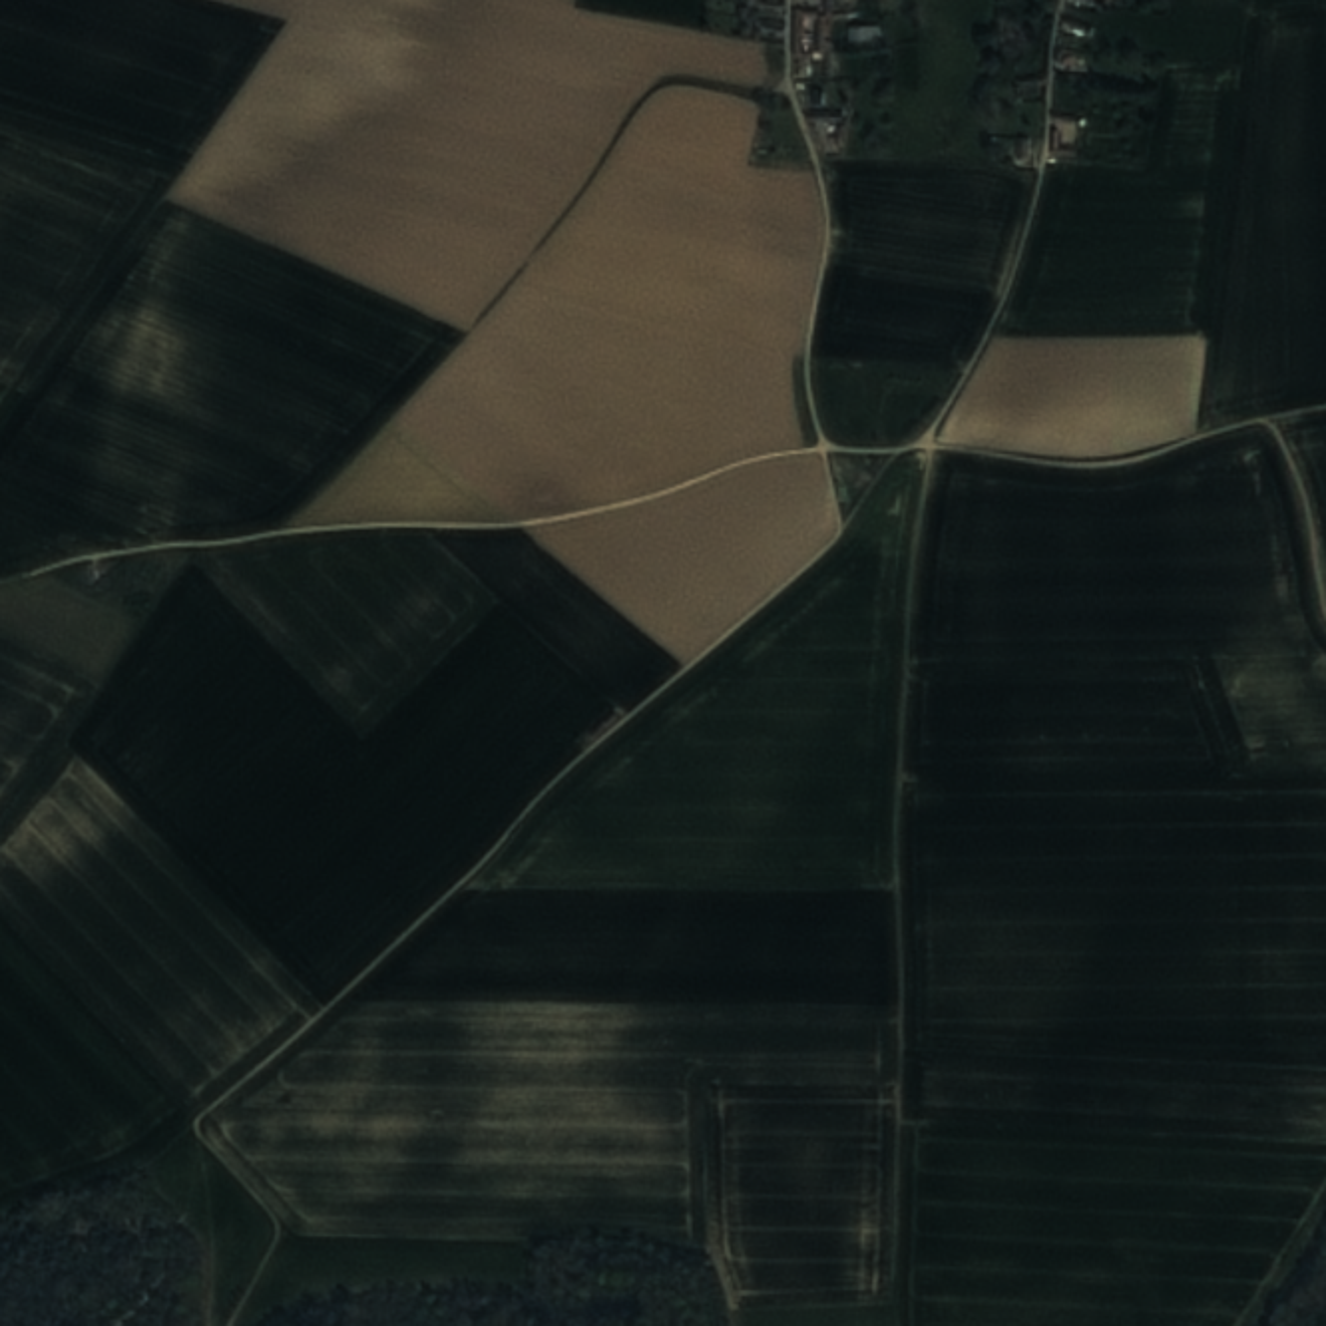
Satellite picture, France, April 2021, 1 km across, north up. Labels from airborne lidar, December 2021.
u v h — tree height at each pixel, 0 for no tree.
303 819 0
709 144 0
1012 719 0
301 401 0
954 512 0
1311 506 0
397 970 0
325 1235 0
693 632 0
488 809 0
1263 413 0
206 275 0
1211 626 0
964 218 0
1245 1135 0
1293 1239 0
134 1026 0
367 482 0
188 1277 22
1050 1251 0
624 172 0
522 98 0
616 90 0
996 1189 0
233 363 0
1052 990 0
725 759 0
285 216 0
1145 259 0
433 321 0
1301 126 0
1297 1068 0
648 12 0
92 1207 7
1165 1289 0
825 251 0
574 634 0
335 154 0
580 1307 8
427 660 0
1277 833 0
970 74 0
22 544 0
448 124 0
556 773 0
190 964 0
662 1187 0
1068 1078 0
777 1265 0
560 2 0
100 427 0
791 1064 0
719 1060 0
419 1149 0
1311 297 0
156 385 0
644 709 0
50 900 0
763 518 0
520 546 0
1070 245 0
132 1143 0
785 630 0
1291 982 0
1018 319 0
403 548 0
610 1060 0
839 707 0
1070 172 0
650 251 0
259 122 0
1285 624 0
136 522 0
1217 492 0
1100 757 0
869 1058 0
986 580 0
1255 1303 0
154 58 0
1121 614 0
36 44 0
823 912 0
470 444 0
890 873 0
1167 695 0
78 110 0
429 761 0
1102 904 0
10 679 0
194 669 0
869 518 0
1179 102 0
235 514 0
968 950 0
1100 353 0
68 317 0
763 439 0
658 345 0
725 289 0
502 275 0
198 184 0
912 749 0
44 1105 0
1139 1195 0
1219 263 0
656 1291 20
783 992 0
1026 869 0
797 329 0
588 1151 0
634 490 0
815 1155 0
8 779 0
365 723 0
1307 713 0
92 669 0
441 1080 0
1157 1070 0
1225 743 0
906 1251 0
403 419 0
